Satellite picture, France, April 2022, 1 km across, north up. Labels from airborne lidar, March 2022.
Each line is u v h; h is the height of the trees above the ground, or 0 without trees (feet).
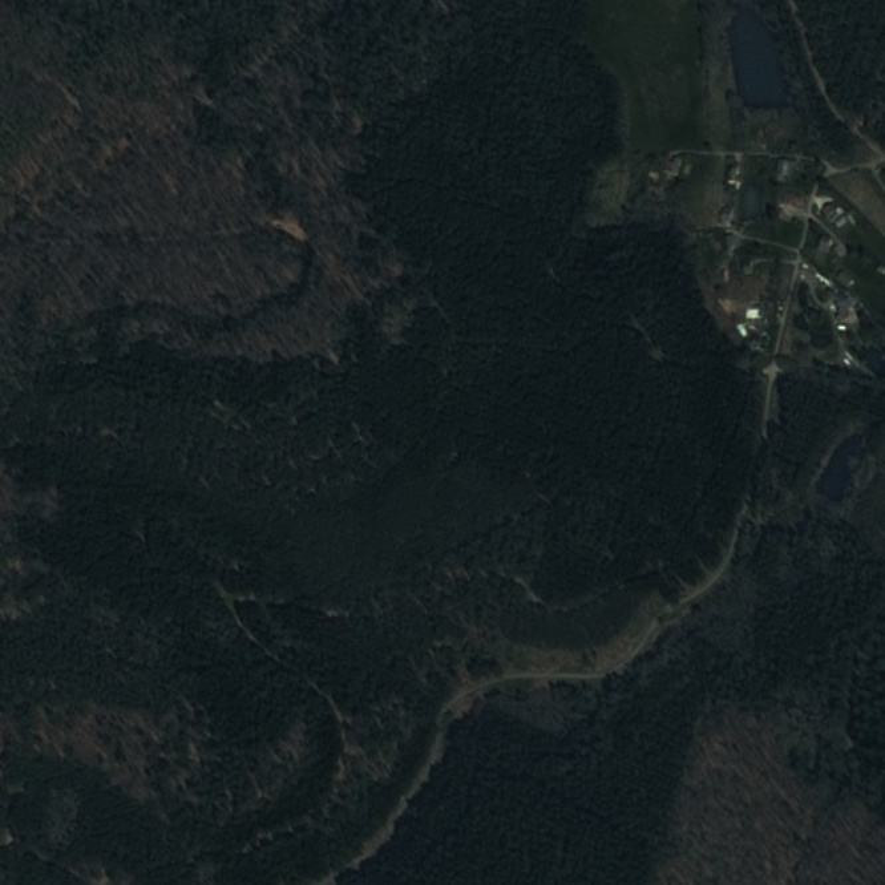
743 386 79
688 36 0
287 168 88
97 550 78
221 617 75
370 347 66
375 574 68
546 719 66
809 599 97
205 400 33
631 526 73
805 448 100
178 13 57
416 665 46
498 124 64
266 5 64
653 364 88
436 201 71
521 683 0
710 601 0
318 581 53
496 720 65
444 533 56
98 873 81
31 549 73
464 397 59
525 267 73
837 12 43
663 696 50
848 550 89
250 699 77
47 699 77
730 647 71
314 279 90
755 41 0
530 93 78
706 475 76
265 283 92
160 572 55
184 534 54
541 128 78
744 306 0
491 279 77
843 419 96
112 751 98
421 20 72
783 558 89
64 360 56
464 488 57
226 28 87
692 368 60
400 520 71
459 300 82
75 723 70
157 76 90
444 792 56
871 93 73
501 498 60
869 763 32
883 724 72
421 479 62
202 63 65
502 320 83
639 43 0
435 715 67
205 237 86
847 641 71
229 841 68
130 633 83
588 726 59
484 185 78
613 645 50
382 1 104
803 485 86
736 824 84
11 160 81
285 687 90
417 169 62
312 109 85
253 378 57
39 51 82
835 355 0
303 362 39
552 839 85
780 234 0
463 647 49
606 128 51
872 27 55
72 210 93
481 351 67
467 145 97
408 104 37
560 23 78
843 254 0
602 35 0
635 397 93
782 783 92
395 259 77
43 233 83
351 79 66
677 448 77
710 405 90
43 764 49
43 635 77
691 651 92
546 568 60
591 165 74
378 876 69
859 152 70
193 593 68
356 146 73
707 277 39
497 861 106
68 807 66
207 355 70
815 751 73
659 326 70
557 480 73
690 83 0
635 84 0
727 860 84
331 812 68
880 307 0
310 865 68
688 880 84
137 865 73
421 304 62
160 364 48
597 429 87
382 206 77
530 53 85
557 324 77
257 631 53
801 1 57
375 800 79
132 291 78
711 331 77
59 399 56
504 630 49
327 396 78
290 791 65
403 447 73
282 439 65
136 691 92
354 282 0
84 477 69
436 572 22
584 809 72
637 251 105
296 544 60
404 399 64
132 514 61
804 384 72
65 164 83
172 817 68
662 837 67
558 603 56
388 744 108
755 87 0
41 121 70
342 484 59
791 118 78
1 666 67
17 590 73
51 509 78
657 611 52
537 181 92
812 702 67
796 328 0
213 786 95
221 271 97
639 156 26
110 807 74
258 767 94
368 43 90
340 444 70
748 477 64
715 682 91
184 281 83
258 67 80
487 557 93
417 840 68
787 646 94
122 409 66
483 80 75
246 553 85
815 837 73
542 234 81
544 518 79
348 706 92
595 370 87
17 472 52
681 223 55
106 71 64
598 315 80
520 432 71
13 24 82
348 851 73
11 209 51
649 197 61
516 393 74
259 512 44
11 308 70
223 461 55
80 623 91
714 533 79
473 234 72
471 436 71
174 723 54
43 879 73
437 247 78
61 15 86
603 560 70
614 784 60
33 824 71
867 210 0
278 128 82
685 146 0
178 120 95
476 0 73
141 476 68
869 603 87
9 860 69
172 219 88
